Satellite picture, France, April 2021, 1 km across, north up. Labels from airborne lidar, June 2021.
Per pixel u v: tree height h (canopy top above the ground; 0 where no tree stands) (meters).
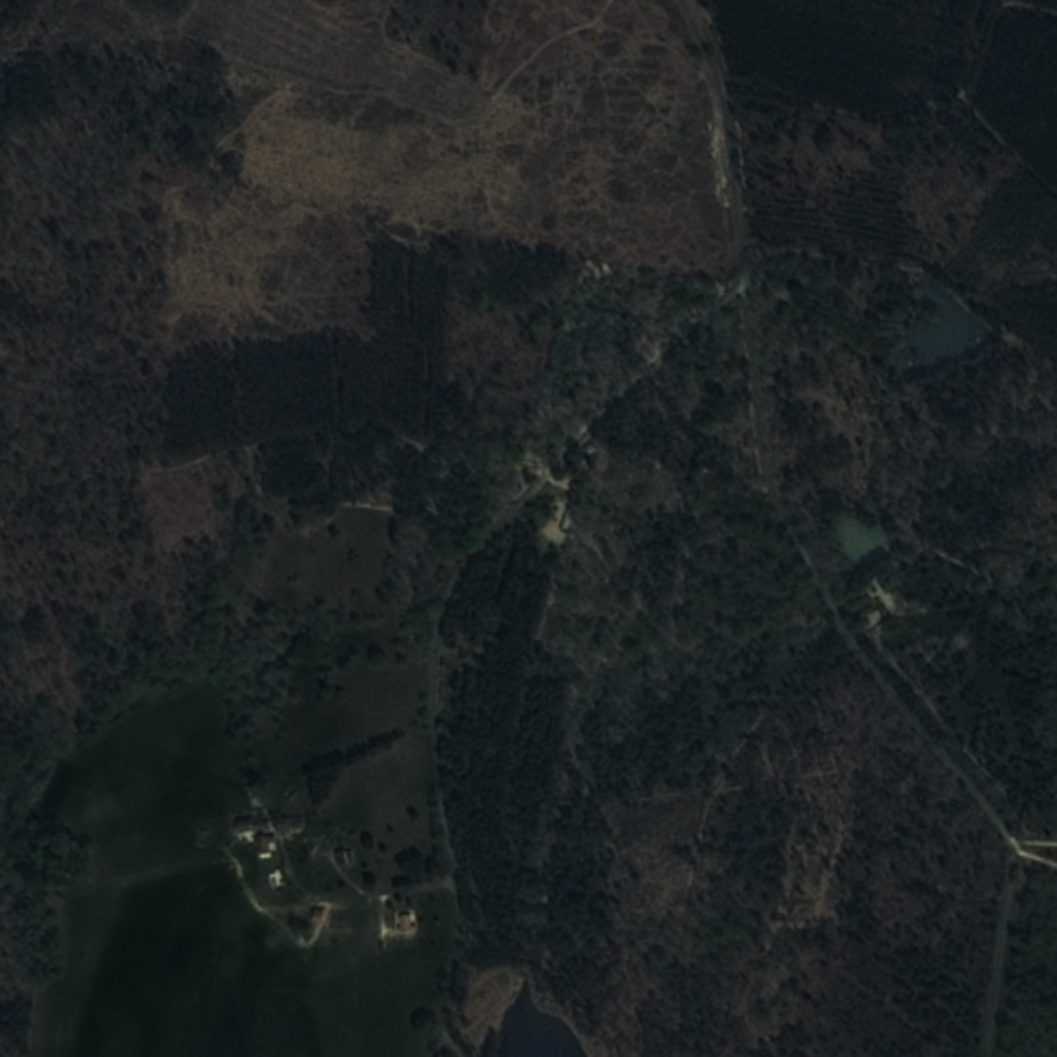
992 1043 0
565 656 12
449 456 19
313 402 14
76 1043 0
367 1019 0
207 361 14
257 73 0
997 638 10
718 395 17
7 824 16
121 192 16
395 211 0
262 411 15
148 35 0
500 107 0
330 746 0
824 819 16
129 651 9
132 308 13
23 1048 16
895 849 15
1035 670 7
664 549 11
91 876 13
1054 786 15
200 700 0
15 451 6
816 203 6
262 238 0
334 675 13
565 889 22
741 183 10
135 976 0
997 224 11
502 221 0
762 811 6
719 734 13
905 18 11
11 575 12
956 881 6
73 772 0
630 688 13
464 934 13
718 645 16
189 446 14
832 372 8
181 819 0
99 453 7
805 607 14
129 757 0
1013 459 10
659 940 12
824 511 9
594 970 15
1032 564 8
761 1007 10
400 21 16
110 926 0
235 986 0
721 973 13
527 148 0
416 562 17
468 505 22
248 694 10
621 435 16
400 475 11
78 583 13
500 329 7
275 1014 0
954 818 9
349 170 0
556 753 16
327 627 14
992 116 11
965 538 12
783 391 13
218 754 0
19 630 22
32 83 20
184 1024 0
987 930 9
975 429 20
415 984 0
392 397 15
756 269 11
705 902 21
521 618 14
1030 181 10
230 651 13
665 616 11
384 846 5
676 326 14
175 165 9
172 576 8
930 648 7
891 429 20
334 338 12
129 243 14
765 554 7
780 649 12
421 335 15
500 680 16
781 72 12
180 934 0
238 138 0
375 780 0
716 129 0
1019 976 10
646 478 11
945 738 16
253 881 0
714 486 9
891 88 11
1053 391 14
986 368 7
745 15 13
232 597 14
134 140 21
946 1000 9
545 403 14
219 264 0
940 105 12
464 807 18
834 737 7
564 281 12
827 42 12
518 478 16
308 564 0
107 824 0
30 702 14
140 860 0
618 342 6
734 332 11
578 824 16
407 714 0
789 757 8
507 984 0
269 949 0
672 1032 11
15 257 15
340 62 0
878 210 6
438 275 10
